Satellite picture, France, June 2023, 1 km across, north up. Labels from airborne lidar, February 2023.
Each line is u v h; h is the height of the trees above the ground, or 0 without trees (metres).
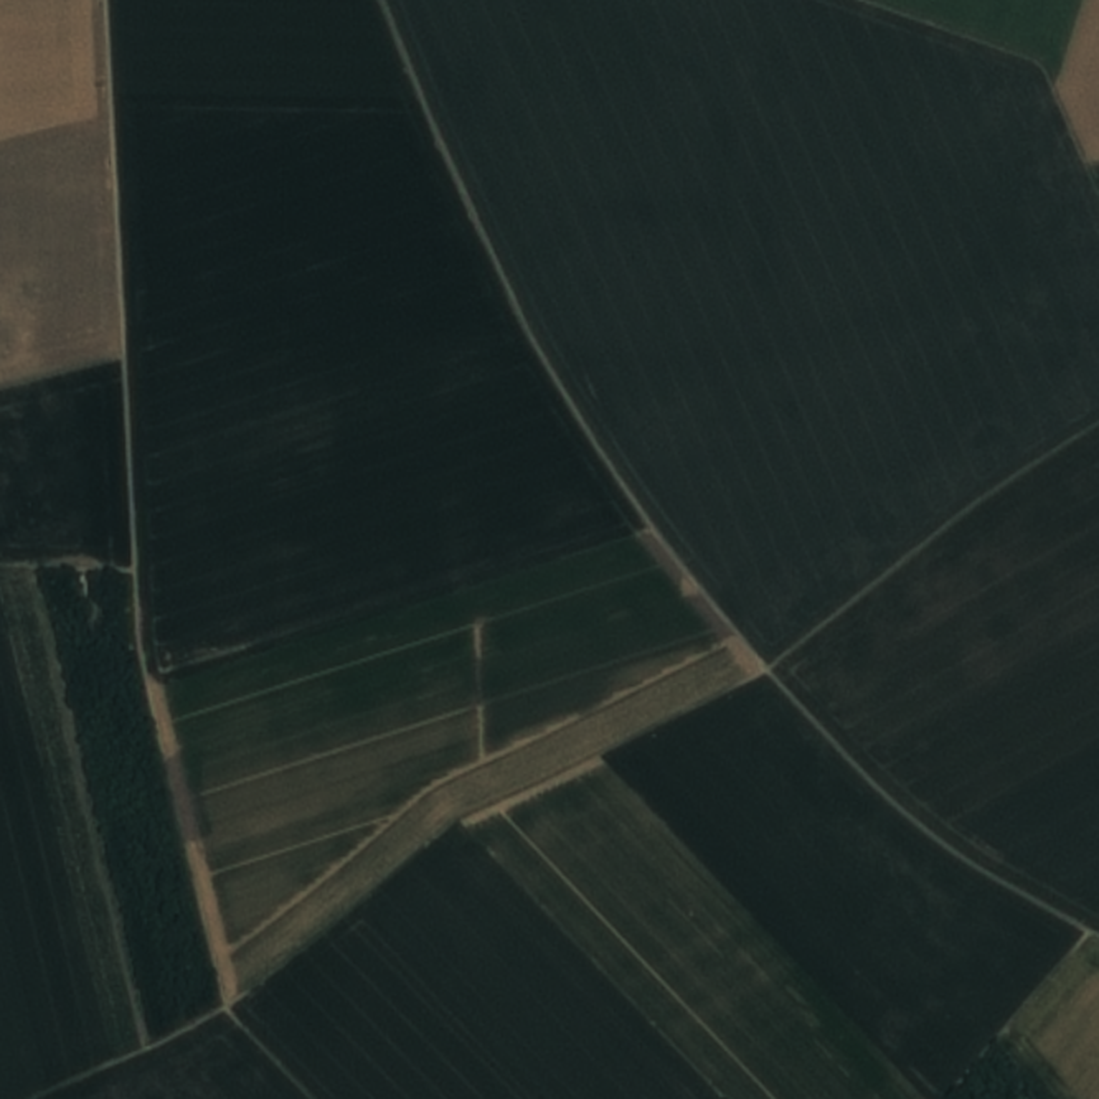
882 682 0
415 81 0
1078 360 0
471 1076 0
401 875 0
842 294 0
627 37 0
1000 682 0
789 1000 0
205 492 0
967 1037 0
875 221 0
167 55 0
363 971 0
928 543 0
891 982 0
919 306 0
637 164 0
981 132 0
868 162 0
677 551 0
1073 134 0
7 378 0
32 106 0
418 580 0
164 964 12
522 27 0
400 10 0
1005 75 0
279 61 0
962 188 0
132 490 0
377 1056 0
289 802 0
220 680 0
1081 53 0
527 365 0
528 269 0
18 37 0
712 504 0
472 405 0
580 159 0
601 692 0
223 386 0
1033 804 0
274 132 0
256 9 0
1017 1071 15
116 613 9
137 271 0
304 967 0
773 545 0
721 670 0
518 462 0
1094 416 0
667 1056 0
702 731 0
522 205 0
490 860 0
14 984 0
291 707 0
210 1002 10
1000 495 0
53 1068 0
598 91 0
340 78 0
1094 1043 0
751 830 0
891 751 0
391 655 0
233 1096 0
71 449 0
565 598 0
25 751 0
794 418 0
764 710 0
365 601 0
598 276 0
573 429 0
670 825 0
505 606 0
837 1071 0
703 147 0
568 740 0
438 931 0
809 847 0
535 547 0
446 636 0
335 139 0
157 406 0
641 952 0
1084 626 0
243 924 0
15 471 0
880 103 0
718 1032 0
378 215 0
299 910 0
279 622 0
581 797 0
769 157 0
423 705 0
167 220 0
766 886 0
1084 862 0
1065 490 0
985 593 0
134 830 8
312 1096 0
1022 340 0
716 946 0
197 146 0
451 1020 0
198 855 0
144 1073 0
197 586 0
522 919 0
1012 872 0
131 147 0
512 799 0
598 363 0
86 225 0
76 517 0
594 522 0
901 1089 0
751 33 0
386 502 0
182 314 0
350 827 0
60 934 0
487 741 0
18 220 0
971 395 0
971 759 0
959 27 0
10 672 0
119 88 0
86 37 0
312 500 0
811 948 0
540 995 0
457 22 0
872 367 0
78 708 10
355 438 0
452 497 0
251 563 0
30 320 0
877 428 0
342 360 0
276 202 0
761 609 0
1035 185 0
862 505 0
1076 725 0
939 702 0
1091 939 0
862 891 0
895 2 0
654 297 0
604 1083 0
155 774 13
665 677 0
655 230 0
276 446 0
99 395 0
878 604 0
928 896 0
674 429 0
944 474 0
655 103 0
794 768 0
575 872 0
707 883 0
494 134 0
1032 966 0
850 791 0
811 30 0
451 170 0
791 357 0
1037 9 0
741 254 0
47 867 0
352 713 0
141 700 13
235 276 0
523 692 0
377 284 0
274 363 0
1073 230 0
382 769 0
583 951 0
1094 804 0
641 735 0
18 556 0
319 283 0
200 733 0
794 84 0
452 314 0
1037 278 0
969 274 0
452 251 0
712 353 0
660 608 0
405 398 0
